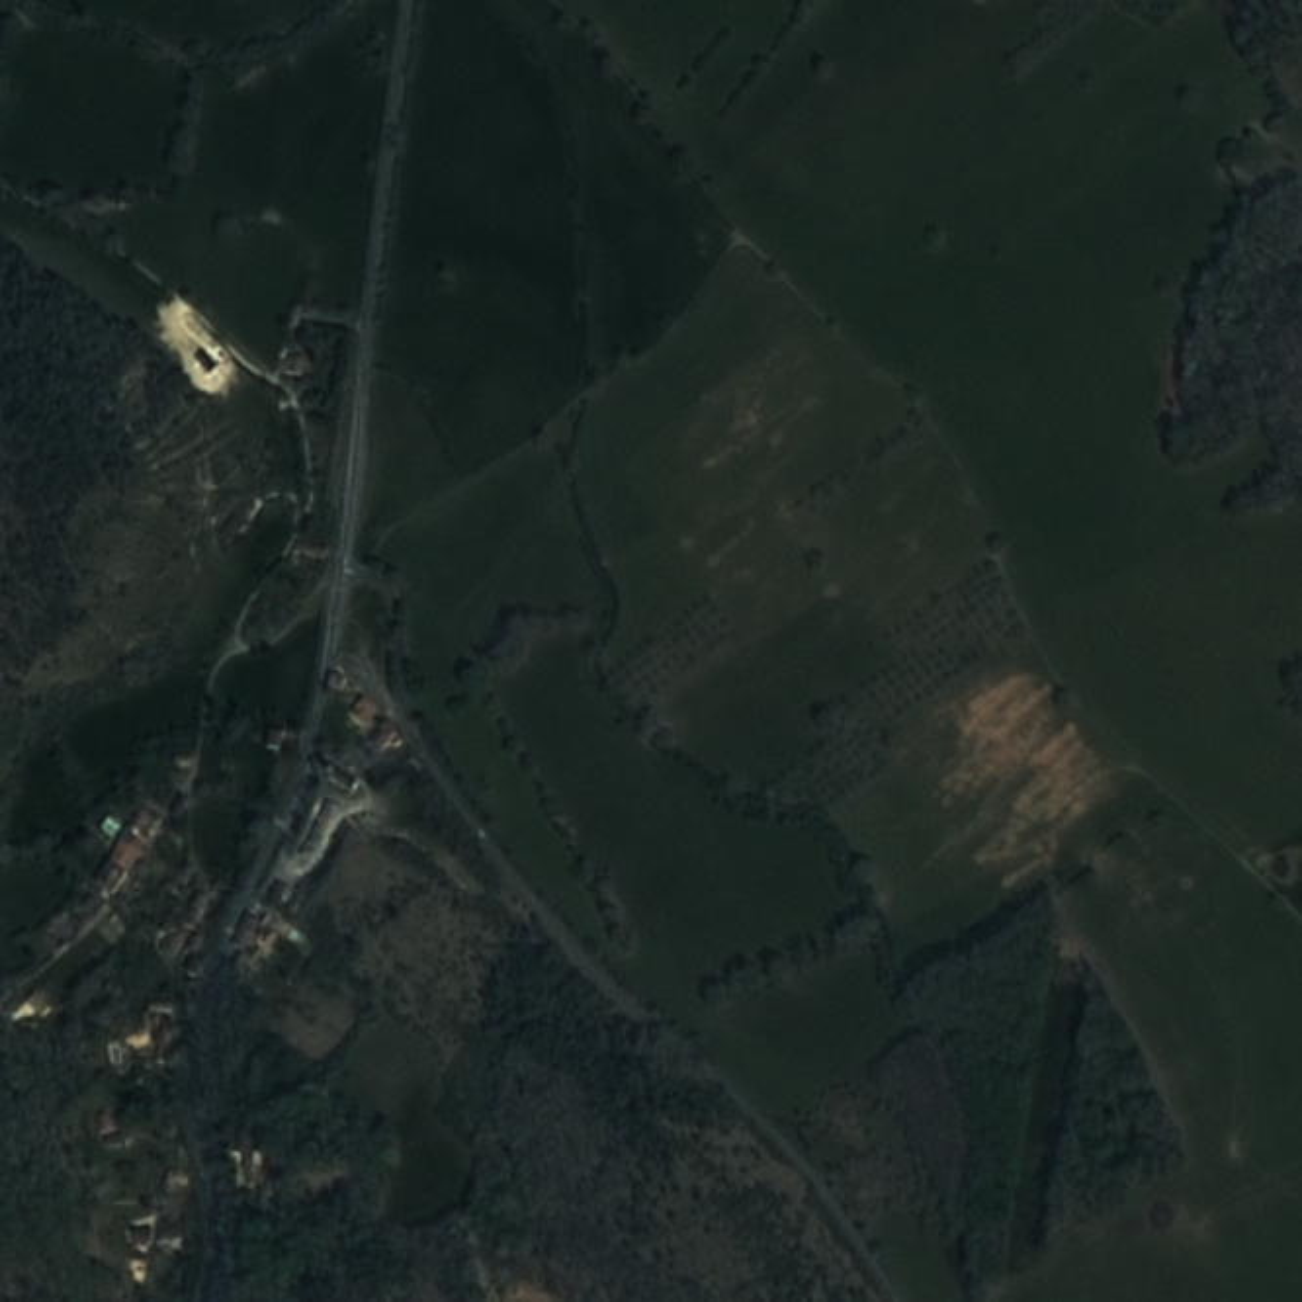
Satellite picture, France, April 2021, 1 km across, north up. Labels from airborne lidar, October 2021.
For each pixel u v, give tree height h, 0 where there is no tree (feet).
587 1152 64
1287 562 0
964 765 0
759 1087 0
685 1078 51
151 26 0
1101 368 0
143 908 28
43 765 0
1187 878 0
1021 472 0
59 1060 58
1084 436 0
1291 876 0
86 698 29
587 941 28
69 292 38
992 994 103
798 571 0
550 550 0
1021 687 0
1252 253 67
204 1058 77
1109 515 0
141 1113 70
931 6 0
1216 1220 0
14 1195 81
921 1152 52
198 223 0
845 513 0
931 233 32
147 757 31
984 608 44
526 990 29
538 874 0
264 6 0
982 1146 62
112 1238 24
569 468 79
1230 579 0
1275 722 0
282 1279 86
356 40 0
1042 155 0
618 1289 69
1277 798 0
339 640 0
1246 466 0
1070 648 0
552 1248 47
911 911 0
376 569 43
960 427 0
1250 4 62
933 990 98
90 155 0
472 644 0
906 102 0
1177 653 0
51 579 51
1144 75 0
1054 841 0
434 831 39
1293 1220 0
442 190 0
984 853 0
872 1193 26
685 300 0
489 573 0
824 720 53
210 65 23
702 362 0
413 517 0
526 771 32
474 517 0
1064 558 0
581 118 0
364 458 0
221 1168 43
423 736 22
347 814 0
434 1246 48
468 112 0
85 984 51
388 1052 0
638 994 42
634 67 0
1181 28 0
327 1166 63
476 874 41
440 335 0
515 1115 57
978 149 0
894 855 0
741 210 0
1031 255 0
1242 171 0
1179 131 0
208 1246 0
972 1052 82
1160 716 0
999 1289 55
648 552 0
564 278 0
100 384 25
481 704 39
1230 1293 0
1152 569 0
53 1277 80
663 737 41
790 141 0
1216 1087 0
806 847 0
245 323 0
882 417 0
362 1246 71
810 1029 0
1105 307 0
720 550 0
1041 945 88
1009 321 0
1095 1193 68
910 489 0
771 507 0
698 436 0
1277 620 0
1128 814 0
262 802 45
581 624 44
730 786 45
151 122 0
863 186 0
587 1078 61
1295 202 66
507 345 0
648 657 44
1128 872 0
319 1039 0
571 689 0
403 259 0
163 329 0
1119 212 0
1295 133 0
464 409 0
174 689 0
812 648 0
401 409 0
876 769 41
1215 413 67
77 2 0
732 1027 0
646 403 0
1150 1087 72
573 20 32
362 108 0
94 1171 62
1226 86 0
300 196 0
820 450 0
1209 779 0
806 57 0
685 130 0
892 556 0
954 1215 49
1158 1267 0
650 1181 33
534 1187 59
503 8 0
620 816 0
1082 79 31
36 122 0
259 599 27
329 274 0
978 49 0
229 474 0
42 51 0
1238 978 0
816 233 0
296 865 0
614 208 0
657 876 0
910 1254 0
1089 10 26
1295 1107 0
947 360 0
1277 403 73
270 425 0
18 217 0
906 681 41
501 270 0
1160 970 0
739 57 0
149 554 0
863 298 0
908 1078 49
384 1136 49
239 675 0
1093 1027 74
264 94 0
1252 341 74
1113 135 0
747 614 0
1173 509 0
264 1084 23
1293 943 0
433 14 0
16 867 28
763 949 0
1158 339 0
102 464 36
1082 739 0
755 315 0
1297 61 0
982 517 0
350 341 37
